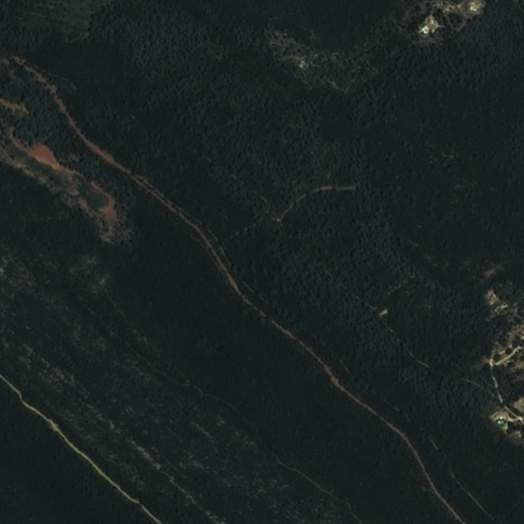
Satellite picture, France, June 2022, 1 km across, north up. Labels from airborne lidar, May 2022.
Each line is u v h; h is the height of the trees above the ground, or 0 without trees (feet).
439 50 39
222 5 27
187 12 27
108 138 46
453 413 62
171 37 56
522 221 20
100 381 18
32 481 29
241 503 18
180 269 27
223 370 30
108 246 24
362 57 57
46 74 32
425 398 40
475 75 54
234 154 33
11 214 28
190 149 21
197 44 36
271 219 48
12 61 47
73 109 34
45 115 57
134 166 37
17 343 25
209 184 18
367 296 29
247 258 23
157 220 32
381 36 47
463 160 34
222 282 23
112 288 21
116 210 35
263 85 26
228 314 33
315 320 24
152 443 19
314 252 36
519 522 31
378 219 47
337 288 59
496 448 36
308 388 26
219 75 21
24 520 21
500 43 50
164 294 28
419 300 31
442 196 30
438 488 27
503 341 51
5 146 41
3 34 62
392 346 53
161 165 31
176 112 49
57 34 23
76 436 20
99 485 24
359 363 29
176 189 21
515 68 27
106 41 23
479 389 34
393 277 33
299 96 22
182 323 27
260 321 63
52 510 25
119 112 27
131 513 33
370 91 43
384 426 20
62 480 27
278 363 34
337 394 27
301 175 52
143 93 50
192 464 37
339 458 25
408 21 20
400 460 18
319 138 42
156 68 51
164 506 25
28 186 29
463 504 22
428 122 48
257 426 19
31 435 23
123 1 22
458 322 32
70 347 19
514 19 59
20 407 21
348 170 33
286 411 29
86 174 33
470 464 27
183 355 26
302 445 20
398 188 39
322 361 25
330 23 24
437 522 19
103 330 22
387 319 27
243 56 36
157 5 29
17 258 31
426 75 47
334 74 48
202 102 33
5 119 47
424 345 35
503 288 41
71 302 29
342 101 24
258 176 32
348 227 19
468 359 50
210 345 31
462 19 35
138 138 36
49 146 47
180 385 25
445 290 44
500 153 19
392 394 23
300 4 19
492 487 26
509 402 28
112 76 19
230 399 22
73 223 23
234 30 44
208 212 20
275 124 31
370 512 19
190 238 30
